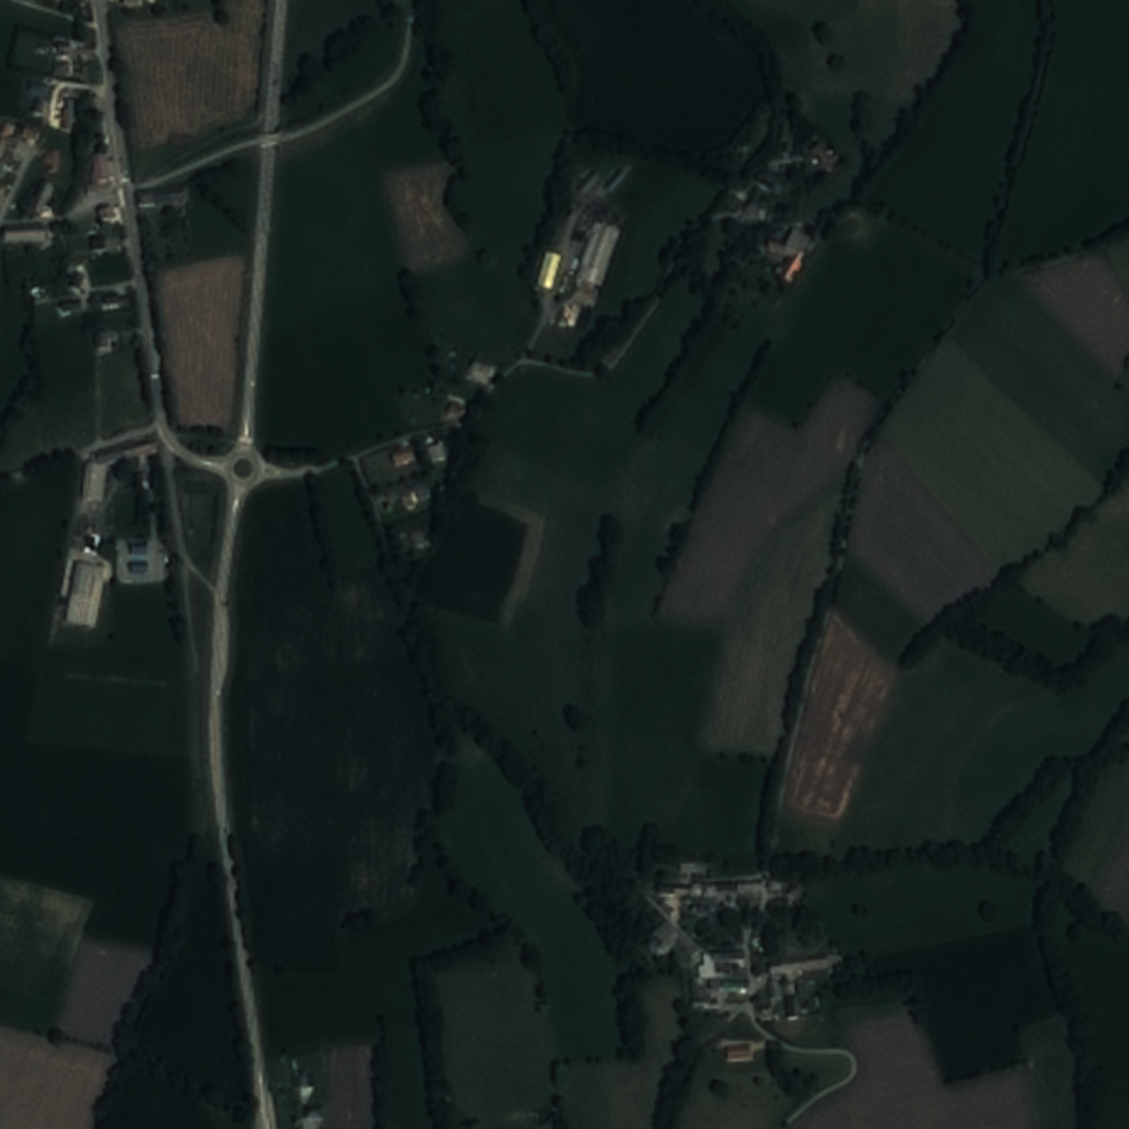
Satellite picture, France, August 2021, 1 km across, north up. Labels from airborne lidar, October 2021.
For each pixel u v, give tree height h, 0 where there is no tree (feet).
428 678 63
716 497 0
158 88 0
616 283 0
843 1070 0
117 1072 33
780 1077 34
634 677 0
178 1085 42
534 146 0
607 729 0
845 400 0
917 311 0
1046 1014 0
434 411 0
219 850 0
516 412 0
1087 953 0
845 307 0
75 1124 0
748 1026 0
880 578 0
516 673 0
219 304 0
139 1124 0
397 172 0
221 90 0
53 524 0
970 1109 0
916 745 0
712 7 62
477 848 0
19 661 0
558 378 0
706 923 21
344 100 0
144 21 0
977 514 0
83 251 0
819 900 0
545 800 71
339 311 0
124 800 0
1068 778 66
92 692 0
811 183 31
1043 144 0
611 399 0
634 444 0
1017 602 0
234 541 0
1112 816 0
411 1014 0
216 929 0
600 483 0
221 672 0
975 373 0
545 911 0
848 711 0
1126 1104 0
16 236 0
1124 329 0
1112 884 0
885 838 0
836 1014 0
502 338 0
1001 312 0
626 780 0
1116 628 65
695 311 0
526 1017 0
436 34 60
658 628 0
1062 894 51
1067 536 42
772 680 0
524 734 0
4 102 0
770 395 0
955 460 0
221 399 0
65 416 0
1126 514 0
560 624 0
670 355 0
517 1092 0
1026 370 0
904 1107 0
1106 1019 0
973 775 0
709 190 0
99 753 0
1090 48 0
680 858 44
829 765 0
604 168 0
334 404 0
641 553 0
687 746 0
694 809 0
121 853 0
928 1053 0
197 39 0
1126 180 0
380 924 46
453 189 33
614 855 82
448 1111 50
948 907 0
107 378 0
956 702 0
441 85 70
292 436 0
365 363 0
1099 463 0
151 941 0
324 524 57
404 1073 0
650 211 0
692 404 0
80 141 61
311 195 0
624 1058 41
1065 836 61
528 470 0
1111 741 50
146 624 0
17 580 0
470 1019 0
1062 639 0
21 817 0
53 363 0
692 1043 53
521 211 0
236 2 0
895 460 0
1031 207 0
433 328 0
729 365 0
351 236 0
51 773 0
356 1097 0
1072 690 55
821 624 52
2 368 0
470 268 0
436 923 0
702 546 0
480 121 0
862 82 0
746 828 0
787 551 0
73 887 0
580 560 0
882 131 0
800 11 0
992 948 0
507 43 0
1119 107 0
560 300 26
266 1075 0
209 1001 0
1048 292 0
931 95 40
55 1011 0
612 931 66
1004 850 47
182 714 0
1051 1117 0
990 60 0
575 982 0
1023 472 0
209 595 0
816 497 0
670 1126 58
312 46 0
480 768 0
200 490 0
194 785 0
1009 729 0
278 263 0
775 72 55
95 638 0
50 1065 0
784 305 0
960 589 0
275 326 0
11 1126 0
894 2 0
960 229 0
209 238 0
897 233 0
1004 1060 0
